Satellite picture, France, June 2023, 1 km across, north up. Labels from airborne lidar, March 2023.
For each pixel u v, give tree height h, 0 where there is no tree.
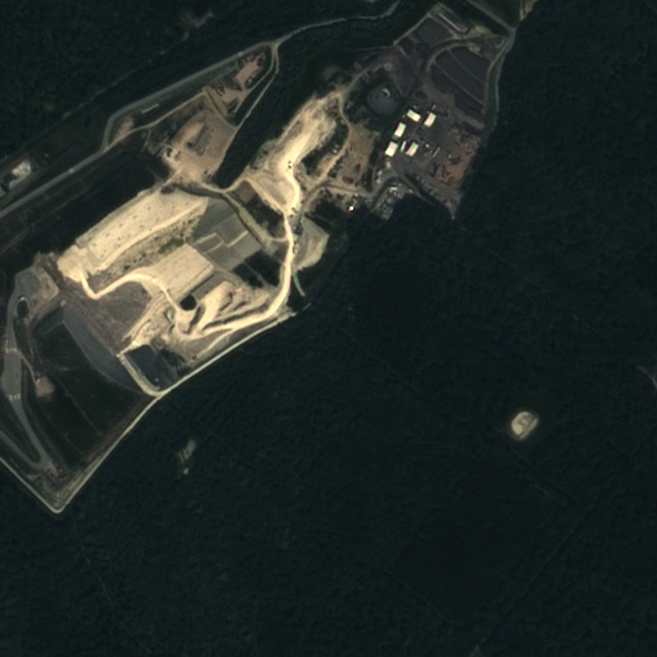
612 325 22
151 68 12
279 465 17
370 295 11
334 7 12
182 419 6
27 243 0
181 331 0
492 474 17
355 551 22
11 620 10
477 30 0
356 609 20
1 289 0
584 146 25
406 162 0
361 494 21
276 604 16
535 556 24
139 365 0
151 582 7
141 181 0
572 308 20
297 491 14
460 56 0
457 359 10
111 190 0
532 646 27
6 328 0
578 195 24
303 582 18
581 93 26
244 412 12
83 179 0
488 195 19
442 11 0
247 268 0
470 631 20
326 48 0
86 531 17
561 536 20
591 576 25
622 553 25
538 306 24
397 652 23
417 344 14
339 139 0
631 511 14
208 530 10
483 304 25
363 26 6
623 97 22
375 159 0
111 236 0
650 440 24
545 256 26
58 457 0
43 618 19
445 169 0
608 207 25
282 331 16
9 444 0
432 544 13
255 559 17
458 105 0
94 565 15
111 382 0
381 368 9
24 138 20
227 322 0
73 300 0
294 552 18
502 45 0
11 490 17
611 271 22
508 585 22
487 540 14
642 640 25
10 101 23
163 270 0
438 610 11
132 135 0
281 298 0
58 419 0
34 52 19
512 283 22
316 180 0
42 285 0
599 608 11
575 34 24
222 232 0
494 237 19
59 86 17
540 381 19
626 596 16
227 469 7
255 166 0
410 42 0
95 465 0
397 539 21
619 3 25
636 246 17
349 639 23
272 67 0
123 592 16
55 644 19
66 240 0
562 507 23
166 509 12
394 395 21
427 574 17
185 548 9
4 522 20
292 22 9
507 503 13
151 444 8
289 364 15
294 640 22
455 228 21
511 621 23
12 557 18
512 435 0
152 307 0
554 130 24
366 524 24
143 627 10
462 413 23
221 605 8
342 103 0
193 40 15
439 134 0
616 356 19
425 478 23
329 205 0
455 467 21
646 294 29
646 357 26
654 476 26
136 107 0
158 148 0
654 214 18
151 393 0
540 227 26
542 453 20
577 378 25
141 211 0
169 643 11
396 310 18
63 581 23
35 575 22
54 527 20
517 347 24
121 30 26
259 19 10
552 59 18
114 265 0
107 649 23
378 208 0
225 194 0
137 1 22
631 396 24
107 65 20
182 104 0
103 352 0
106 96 12
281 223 0
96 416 0
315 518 16
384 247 6
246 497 11
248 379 14
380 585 24
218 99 0
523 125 20
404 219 20
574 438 24
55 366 0
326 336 13
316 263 0
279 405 12
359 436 21
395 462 22
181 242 0
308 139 0
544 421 0
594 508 20
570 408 18
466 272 23
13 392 0
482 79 0
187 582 8
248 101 0
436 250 24
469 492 13
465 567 13
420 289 19
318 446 10
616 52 18
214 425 8
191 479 9
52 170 0
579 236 23
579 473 23
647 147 24
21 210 0
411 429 22
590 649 15
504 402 21
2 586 22
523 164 20
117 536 6
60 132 0
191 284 0
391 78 0
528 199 22
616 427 24
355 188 0
